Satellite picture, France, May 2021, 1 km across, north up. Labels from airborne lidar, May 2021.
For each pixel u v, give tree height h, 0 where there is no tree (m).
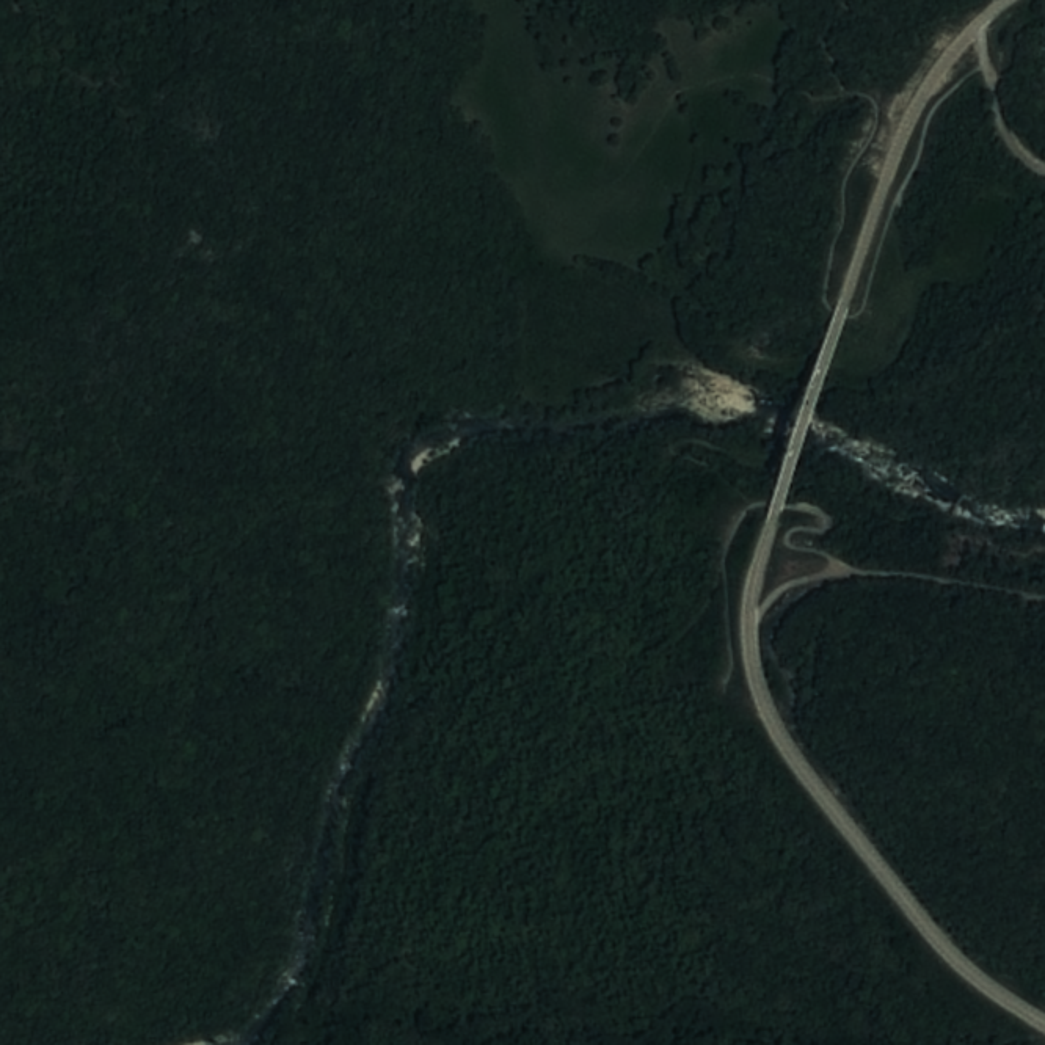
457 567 10
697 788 15
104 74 9
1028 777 13
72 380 8
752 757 11
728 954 9
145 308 13
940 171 6
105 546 14
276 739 16
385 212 9
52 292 12
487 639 10
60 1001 10
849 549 14
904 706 13
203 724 15
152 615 8
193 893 10
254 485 9
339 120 15
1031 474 12
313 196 9
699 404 0
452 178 13
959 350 6
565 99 0
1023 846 11
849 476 18
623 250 0
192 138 10
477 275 17
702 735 9
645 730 10
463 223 14
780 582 0
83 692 13
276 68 13
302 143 16
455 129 15
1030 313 10
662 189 0
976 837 8
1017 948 10
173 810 12
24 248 9
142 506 7
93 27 11
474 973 11
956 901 8
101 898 12
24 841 10
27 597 13
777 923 12
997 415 13
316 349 13
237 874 7
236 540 14
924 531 17
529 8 13
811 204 10
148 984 14
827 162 9
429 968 10
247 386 14
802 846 15
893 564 15
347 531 12
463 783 12
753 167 17
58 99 8
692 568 5
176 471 15
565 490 12
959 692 13
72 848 10
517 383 11
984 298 6
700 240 12
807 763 0
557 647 10
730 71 0
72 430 10
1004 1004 0
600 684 13
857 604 15
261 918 10
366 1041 17
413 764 10
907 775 12
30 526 15
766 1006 16
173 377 10
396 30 17
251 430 15
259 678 21
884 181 0
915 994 13
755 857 16
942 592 13
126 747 12
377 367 14
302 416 12
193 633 14
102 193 7
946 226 8
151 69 9
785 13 10
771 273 11
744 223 13
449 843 8
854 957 14
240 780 16
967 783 9
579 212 0
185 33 7
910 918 0
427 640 10
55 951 10
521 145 0
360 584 14
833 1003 9
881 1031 18
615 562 13
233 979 10
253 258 14
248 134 14
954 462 10
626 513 13
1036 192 7
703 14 7
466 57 13
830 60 11
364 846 10
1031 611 17
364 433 17
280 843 10
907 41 8
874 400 11
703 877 16
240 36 11
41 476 9
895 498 18
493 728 8
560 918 11
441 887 11
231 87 10
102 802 10
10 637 14
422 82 12
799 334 14
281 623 10
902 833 9
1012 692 18
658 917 9
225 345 15
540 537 10
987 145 8
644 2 13
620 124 6
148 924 18
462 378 14
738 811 13
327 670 14
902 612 16
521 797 12
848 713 13
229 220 9
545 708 11
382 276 14
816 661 10
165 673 14
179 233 10
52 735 15
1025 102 15
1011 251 8
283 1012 19
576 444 21
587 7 9
